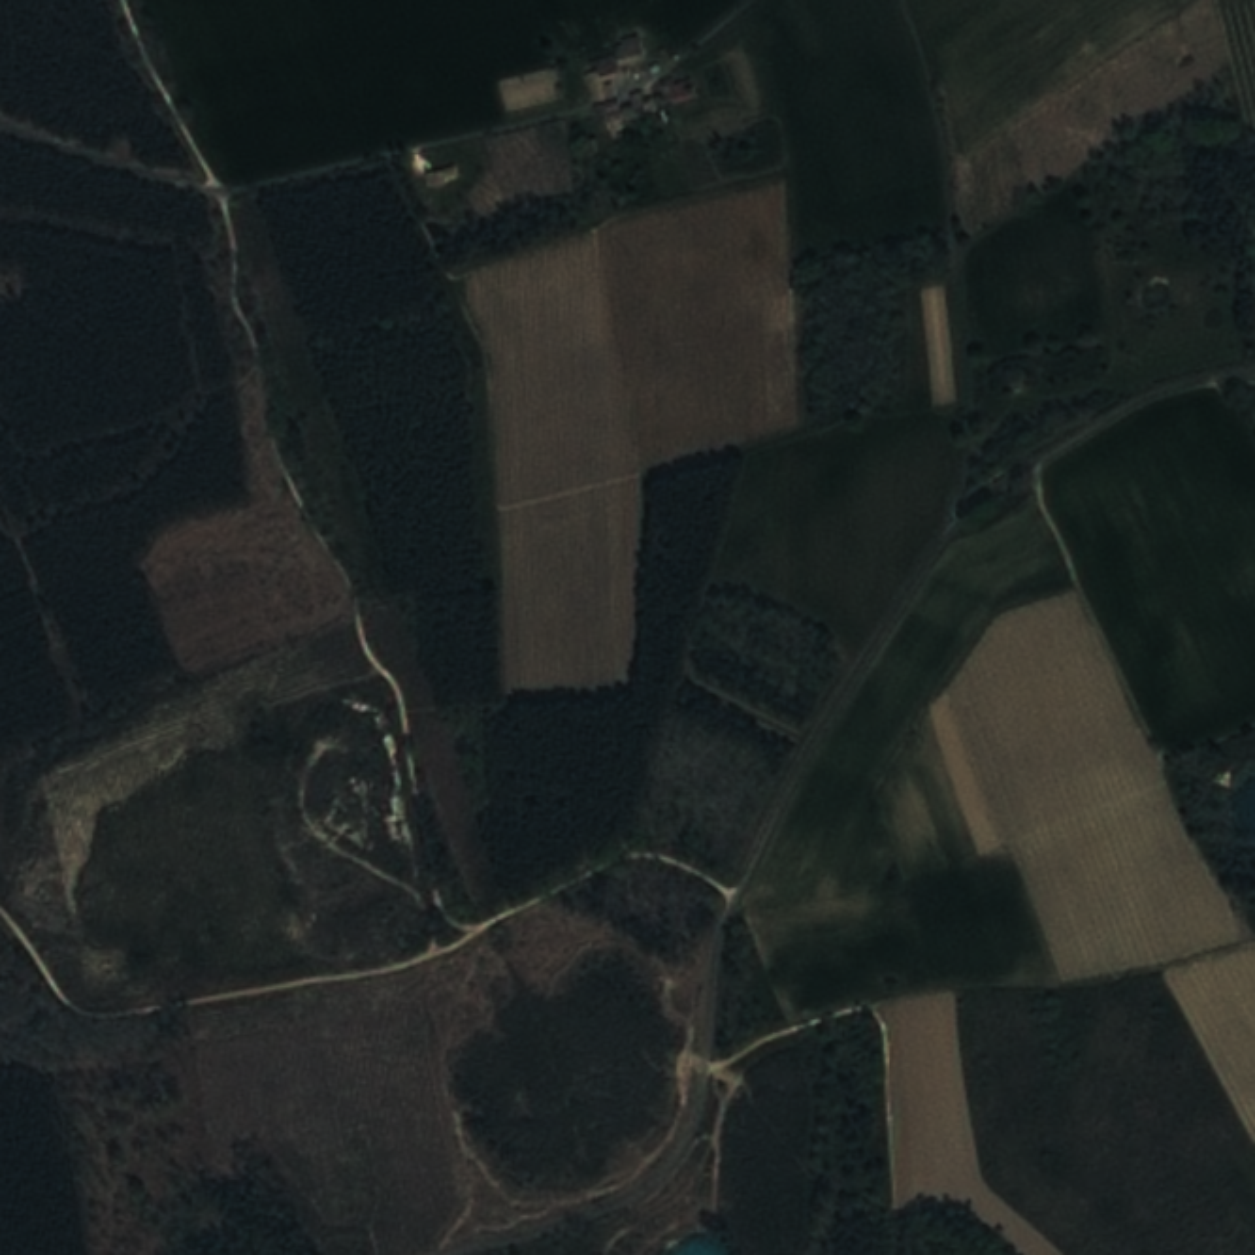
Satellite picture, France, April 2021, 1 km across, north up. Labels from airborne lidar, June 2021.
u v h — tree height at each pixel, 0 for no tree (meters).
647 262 0
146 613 12
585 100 0
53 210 12
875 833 0
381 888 0
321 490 6
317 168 0
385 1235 0
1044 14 0
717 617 15
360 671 0
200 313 11
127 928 0
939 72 0
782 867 0
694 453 0
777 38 0
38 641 13
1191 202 7
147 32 13
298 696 0
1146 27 0
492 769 18
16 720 10
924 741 0
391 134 0
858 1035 6
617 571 0
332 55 0
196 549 0
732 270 0
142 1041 19
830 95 0
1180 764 8
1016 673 0
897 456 0
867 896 0
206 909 0
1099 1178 0
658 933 14
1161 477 0
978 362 11
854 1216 7
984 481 10
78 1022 18
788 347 0
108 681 12
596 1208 0
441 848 15
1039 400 0
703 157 0
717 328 0
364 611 15
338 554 11
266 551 0
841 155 0
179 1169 11
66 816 0
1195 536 0
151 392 12
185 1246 7
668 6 0
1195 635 0
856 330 12
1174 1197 0
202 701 0
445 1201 0
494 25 0
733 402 0
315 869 0
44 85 12
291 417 7
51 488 10
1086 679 0
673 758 13
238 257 8
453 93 0
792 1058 0
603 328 0
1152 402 0
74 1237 11
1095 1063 0
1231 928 0
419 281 13
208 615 0
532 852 17
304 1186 0
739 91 0
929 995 0
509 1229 0
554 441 0
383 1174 0
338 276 12
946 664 0
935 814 0
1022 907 0
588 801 17
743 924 9
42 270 13
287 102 0
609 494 0
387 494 16
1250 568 0
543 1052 0
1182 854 0
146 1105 8
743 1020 10
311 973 0
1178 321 0
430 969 0
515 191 14
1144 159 11
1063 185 7
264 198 10
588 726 16
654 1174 0
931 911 0
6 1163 13
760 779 14
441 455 16
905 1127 0
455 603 19
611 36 0
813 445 0
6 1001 7
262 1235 21
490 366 0
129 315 11
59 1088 11
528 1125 6
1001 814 0
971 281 0
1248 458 0
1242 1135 0
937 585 0
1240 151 15
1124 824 0
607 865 10
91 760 0
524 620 0
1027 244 0
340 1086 0
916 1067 0
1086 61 0
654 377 0
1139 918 0
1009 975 0
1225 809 6
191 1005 14
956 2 0
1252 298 13
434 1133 0
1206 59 0
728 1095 0
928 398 0
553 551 0
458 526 15
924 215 0
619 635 0
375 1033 0
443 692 17
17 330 12
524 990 0
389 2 0
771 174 0
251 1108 0
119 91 12
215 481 12
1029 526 0
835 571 0
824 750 0
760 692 16
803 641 12
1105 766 0
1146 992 0
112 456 11
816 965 0
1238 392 15
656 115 7
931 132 0
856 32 0
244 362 9
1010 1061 0
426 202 8
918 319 0
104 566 13
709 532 18
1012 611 0
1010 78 0
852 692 0
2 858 0
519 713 17
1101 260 0
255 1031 0
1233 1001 0
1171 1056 0
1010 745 0
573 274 0
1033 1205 0
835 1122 6
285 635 0
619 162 6
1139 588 0
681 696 10
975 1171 0
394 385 15
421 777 10
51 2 13
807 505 0
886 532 0
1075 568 0
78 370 13
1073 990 0
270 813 8
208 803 0
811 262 13
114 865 0
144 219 11
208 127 0
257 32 0
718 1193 0
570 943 0
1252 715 0
